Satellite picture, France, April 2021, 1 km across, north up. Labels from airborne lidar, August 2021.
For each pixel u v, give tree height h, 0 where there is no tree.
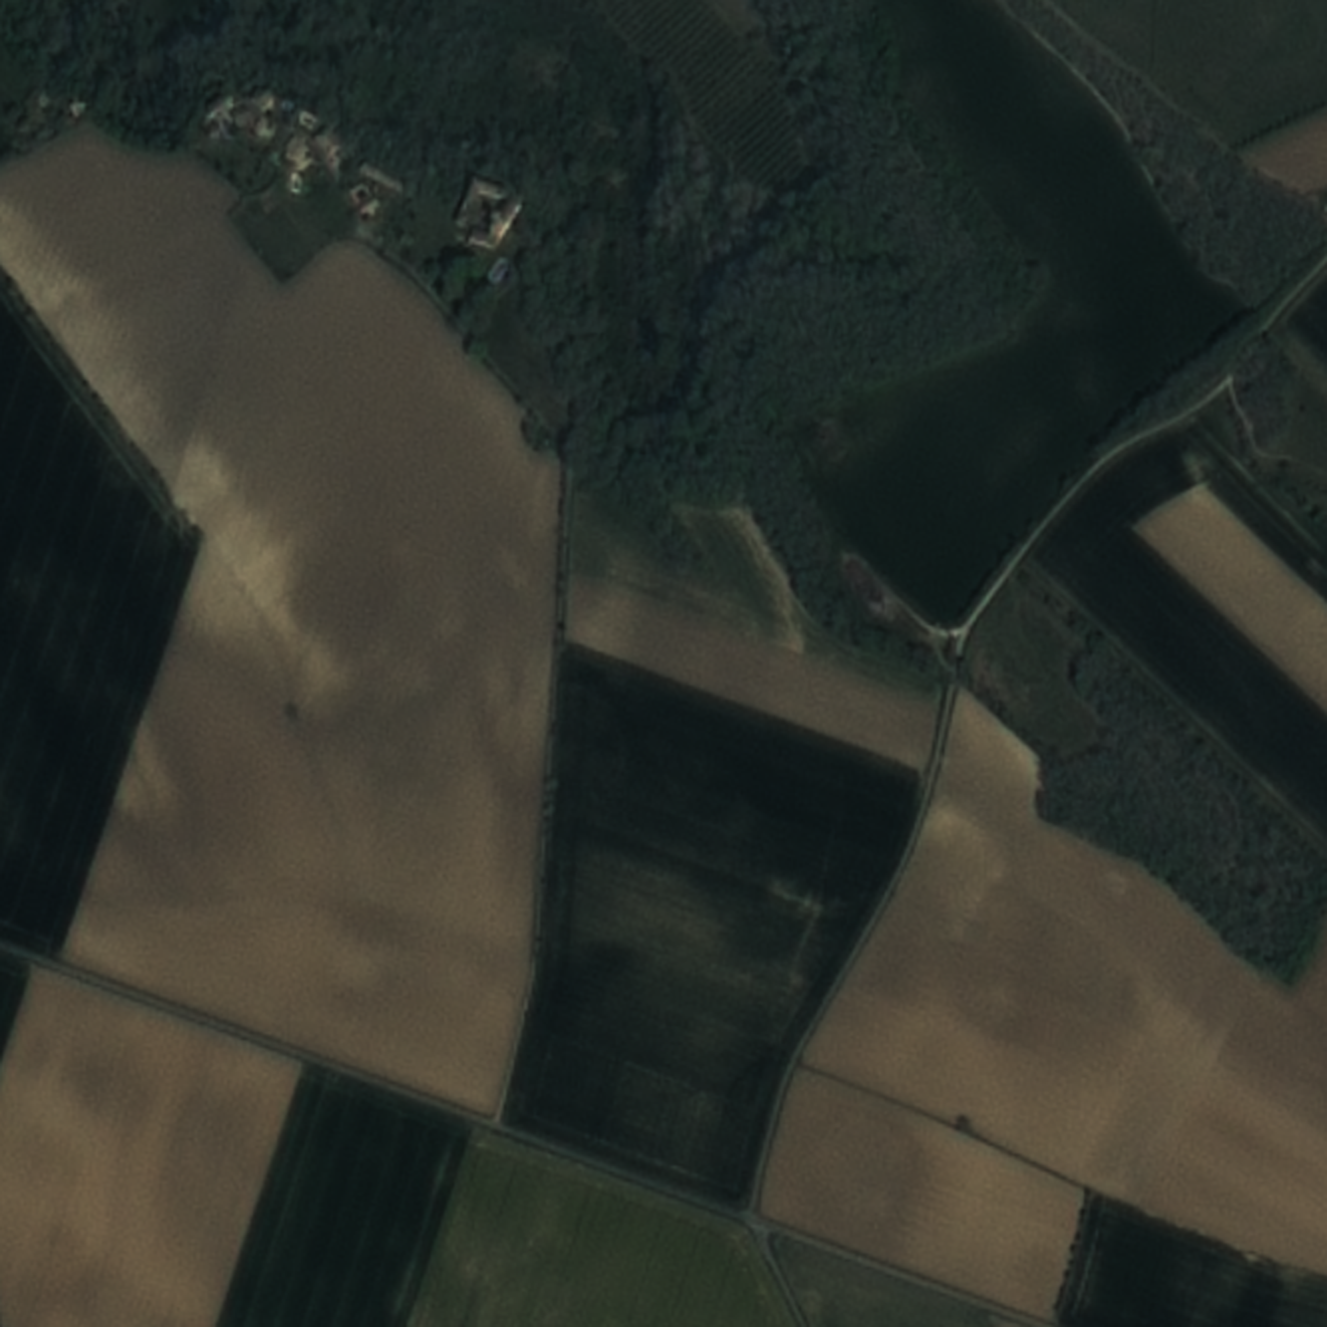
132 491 0
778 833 0
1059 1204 0
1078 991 0
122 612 0
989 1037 0
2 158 10
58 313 0
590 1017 0
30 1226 0
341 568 0
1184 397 13
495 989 0
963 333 16
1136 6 0
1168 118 11
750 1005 0
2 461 0
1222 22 0
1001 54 0
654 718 0
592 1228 0
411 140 23
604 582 0
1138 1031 0
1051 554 0
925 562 0
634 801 0
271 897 0
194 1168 0
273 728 0
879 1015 0
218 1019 0
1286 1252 0
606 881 0
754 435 13
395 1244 0
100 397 7
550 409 0
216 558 0
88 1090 0
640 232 7
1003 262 12
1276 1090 0
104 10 19
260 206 0
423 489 0
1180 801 15
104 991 0
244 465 0
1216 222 13
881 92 13
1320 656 0
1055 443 0
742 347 16
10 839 0
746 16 0
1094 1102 0
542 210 14
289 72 18
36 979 0
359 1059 0
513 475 0
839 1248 0
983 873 0
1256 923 10
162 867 0
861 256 13
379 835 0
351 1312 0
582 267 27
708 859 0
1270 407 13
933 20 0
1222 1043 0
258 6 24
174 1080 0
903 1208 0
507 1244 0
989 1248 0
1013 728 7
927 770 0
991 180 0
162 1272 0
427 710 0
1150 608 0
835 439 0
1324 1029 0
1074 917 0
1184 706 0
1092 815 15
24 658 0
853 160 18
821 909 0
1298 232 17
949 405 0
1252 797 11
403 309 0
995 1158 0
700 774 0
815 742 0
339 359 0
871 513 0
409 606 0
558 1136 0
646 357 9
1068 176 0
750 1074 0
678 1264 0
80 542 0
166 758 0
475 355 12
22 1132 0
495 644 0
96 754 0
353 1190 0
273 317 0
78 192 0
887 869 0
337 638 0
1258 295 14
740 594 0
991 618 0
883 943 0
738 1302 0
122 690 0
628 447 26
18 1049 0
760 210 21
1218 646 0
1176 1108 0
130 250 0
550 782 8
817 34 21
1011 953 0
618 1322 0
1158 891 0
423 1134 0
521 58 7
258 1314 0
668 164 16
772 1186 0
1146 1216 0
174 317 0
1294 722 0
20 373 0
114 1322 0
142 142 11
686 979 0
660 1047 0
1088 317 0
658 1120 0
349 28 25
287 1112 0
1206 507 0
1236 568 0
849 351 15
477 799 0
